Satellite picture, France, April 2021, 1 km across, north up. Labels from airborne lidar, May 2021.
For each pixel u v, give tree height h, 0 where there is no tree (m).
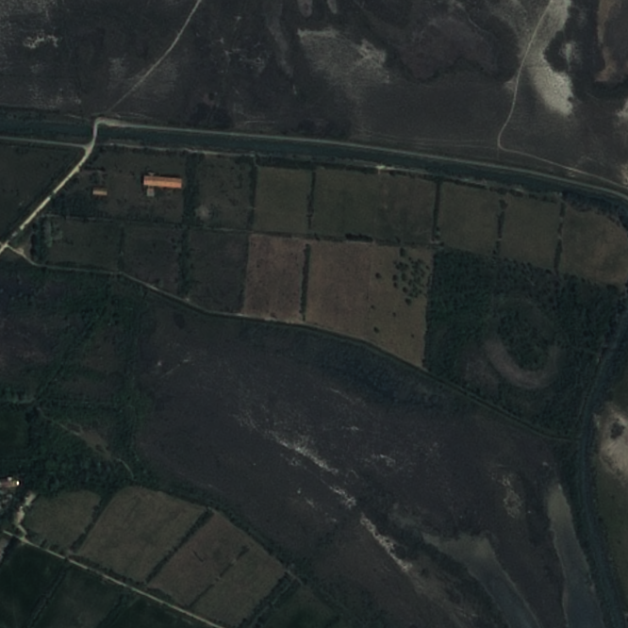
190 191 7
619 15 0
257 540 0
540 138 0
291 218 0
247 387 0
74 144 0
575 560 0
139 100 0
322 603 0
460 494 0
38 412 17
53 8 0
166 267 0
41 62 0
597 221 0
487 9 0
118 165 0
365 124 0
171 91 0
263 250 0
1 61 0
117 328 6
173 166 0
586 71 0
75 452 9
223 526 0
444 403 5
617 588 6
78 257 0
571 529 0
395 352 0
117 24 0
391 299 0
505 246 0
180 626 0
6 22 0
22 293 7
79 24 0
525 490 0
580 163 0
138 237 0
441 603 0
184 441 0
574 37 0
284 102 0
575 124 0
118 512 0
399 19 0
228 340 0
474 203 0
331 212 0
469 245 0
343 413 0
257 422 0
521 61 0
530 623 0
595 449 6
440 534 0
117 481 6
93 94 0
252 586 0
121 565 0
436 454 0
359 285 0
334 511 0
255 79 0
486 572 0
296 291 0
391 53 0
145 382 0
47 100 0
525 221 0
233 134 0
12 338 0
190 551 0
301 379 0
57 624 0
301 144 0
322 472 0
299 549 0
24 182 0
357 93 0
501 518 0
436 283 8
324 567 0
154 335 0
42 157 0
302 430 0
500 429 0
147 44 0
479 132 0
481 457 0
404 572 0
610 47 0
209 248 0
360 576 0
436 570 0
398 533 0
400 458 0
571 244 0
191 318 0
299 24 0
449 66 0
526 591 0
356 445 0
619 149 0
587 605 0
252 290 0
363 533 0
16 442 0
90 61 0
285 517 0
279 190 0
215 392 0
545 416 6
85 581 0
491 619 0
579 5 0
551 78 0
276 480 0
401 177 0
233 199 0
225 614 0
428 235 0
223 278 0
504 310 8
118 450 6
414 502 0
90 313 13
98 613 0
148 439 0
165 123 0
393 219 0
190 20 0
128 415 7
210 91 0
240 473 0
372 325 0
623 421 0
